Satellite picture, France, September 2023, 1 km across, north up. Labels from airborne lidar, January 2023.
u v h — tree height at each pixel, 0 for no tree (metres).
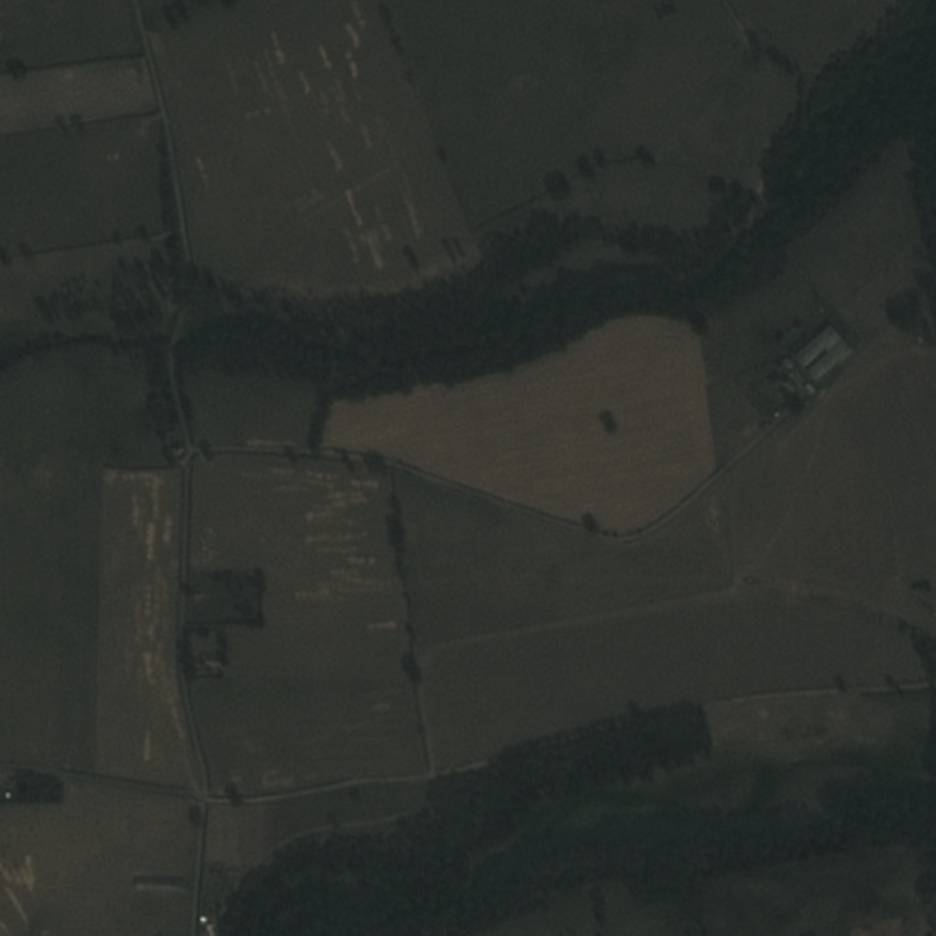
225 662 10
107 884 0
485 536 0
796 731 0
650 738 18
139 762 0
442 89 0
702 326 15
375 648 0
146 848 0
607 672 0
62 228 0
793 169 23
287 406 0
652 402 0
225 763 0
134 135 0
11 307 0
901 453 0
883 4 0
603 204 0
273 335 21
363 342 22
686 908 12
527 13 0
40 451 0
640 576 0
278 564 0
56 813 0
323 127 0
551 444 0
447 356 23
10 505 0
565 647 0
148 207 0
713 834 20
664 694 0
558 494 0
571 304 21
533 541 0
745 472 0
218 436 0
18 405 0
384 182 0
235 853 0
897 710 0
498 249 10
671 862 20
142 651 0
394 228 0
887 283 0
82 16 0
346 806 0
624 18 0
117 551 0
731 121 0
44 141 0
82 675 0
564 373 0
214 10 0
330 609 0
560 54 0
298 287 0
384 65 0
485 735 0
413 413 0
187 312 17
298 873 19
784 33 0
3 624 0
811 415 0
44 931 0
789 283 0
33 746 0
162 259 15
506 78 0
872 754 0
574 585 0
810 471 0
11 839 0
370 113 0
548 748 5
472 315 24
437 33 0
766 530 0
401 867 21
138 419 0
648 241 16
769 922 0
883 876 0
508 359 14
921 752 0
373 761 0
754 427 0
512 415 0
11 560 0
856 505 0
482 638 0
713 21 0
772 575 0
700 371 0
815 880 0
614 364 0
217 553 0
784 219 17
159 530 0
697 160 0
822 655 0
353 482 0
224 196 0
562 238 13
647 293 21
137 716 0
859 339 0
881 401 0
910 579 0
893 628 0
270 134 0
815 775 0
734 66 0
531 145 0
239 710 0
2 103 0
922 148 15
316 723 0
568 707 0
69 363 0
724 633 0
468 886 9
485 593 0
